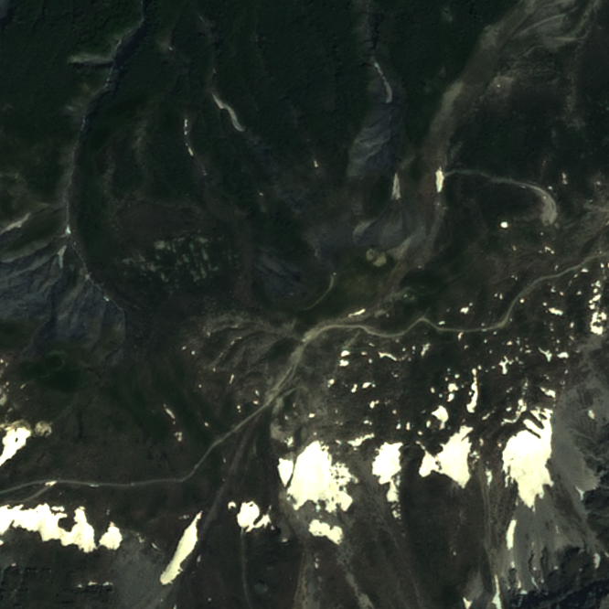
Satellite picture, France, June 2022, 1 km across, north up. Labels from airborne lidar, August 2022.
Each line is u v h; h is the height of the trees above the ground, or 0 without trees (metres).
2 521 0
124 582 0
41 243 0
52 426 0
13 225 0
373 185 0
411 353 0
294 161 0
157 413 0
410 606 0
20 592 0
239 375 0
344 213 0
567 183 0
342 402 0
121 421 0
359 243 0
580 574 0
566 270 0
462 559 0
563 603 0
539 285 0
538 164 0
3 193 0
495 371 0
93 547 0
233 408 0
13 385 0
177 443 0
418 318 0
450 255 0
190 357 0
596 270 0
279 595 0
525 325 0
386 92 0
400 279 0
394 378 0
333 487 0
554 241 0
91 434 0
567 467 0
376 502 0
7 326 0
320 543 0
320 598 0
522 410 0
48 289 0
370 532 0
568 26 0
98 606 0
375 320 0
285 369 0
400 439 0
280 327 0
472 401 0
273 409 0
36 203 0
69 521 0
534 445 0
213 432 0
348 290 0
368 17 0
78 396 0
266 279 0
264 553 0
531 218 0
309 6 6
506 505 0
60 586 0
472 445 0
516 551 0
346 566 0
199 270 0
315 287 0
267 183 0
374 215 0
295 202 0
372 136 0
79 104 0
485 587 0
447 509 0
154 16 8
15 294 0
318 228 0
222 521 0
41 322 0
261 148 0
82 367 0
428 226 0
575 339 0
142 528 0
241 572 0
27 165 0
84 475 0
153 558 0
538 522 0
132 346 0
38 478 0
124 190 0
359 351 0
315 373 0
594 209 0
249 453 0
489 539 0
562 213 0
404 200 0
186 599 0
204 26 0
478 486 0
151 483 0
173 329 0
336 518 0
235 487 0
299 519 0
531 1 0
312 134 0
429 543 0
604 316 0
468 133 0
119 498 0
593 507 0
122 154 0
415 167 0
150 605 0
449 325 0
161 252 0
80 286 0
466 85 0
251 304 0
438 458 0
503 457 0
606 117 0
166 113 0
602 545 0
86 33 8
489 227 0
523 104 0
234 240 0
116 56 0
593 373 0
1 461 0
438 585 0
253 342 0
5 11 0
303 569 0
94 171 0
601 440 0
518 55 0
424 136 0
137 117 0
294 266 0
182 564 0
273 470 0
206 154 0
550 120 0
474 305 0
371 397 0
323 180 0
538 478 0
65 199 0
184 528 0
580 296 0
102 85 0
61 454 0
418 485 0
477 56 0
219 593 0
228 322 0
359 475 0
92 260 0
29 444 0
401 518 0
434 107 0
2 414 0
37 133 0
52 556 0
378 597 0
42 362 0
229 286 0
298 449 0
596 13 0
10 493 0
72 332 0
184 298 0
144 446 0
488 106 0
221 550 0
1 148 0
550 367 0
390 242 0
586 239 0
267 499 0
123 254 0
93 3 8
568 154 0
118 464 0
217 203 0
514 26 0
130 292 0
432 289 0
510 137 0
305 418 0
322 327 0
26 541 0
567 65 0
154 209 0
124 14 7
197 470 0
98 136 0
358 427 0
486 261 0
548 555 0
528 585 0
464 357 0
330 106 0
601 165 0
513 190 0
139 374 0
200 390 0
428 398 0
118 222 0
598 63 0
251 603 0
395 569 0
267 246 0
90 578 0
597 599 0
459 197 0
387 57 0
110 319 0
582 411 0
